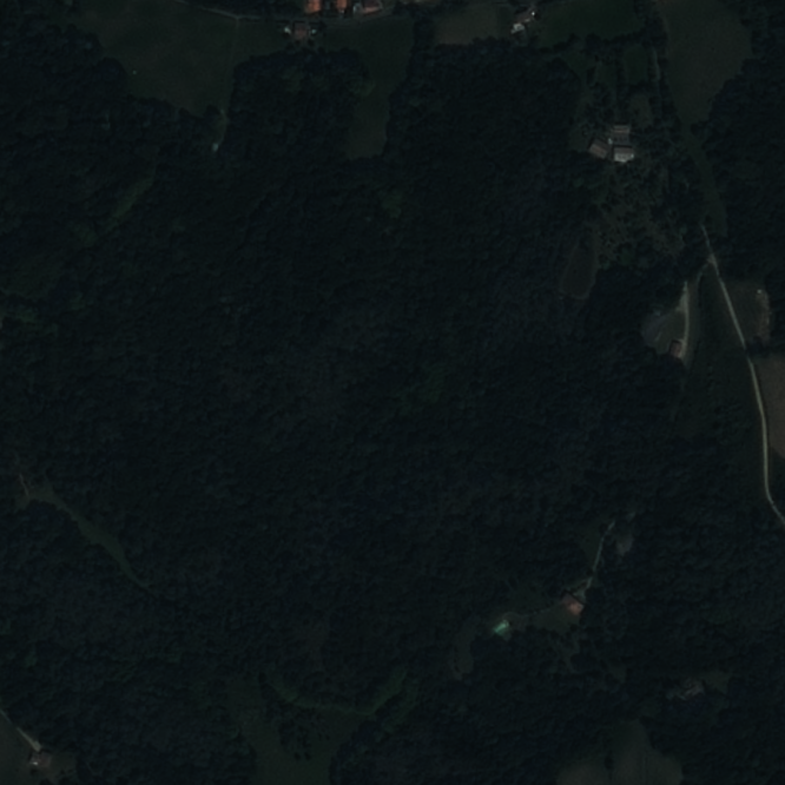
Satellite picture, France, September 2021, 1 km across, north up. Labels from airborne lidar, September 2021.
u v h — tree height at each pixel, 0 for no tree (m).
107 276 18
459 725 20
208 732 22
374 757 8
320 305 20
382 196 29
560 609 0
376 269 23
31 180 30
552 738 21
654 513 17
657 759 0
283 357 24
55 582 26
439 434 20
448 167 28
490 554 27
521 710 23
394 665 27
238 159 25
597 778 0
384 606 15
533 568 18
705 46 0
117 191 25
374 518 21
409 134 18
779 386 0
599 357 16
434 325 24
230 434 24
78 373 10
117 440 17
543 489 27
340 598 12
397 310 24
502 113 27
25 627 27
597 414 21
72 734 24
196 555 22
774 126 21
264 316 24
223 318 19
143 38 0
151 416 22
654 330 0
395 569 24
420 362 30
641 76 0
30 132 28
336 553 14
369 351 24
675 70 0
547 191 17
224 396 16
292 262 19
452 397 27
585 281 0
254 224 24
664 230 6
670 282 18
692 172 20
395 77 0
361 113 0
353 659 12
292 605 22
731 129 17
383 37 0
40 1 13
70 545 30
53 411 16
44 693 31
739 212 28
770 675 23
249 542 23
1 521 20
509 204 18
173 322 22
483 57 22
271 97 22
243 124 23
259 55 0
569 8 0
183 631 21
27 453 11
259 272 19
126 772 13
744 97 21
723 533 29
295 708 7
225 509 22
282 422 20
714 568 24
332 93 25
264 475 26
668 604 19
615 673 0
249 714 10
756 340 0
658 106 11
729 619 23
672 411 16
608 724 19
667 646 21
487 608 17
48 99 32
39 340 15
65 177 25
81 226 30
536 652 16
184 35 0
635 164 5
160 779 28
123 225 6
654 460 22
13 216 11
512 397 22
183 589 21
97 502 15
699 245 23
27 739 0
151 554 15
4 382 22
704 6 0
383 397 22
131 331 22
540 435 21
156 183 25
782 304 23
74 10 9
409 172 22
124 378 9
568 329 16
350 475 13
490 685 22
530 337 20
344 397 22
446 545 17
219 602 23
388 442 27
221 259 22
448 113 28
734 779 24
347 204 18
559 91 25
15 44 31
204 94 0
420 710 18
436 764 6
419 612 26
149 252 19
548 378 17
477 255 25
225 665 12
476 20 0
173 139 23
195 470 16
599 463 22
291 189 19
